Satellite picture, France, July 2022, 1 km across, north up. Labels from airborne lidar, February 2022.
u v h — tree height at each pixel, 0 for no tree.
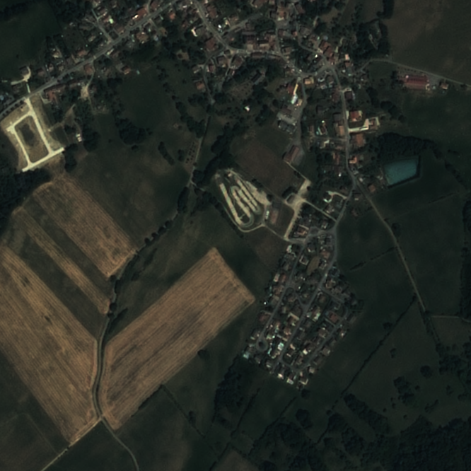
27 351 0
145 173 0
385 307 0
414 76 0
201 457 0
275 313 0
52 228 0
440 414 0
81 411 0
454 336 0
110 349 0
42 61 0
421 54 0
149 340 0
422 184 0
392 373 0
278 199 0
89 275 0
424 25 0
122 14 8
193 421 11
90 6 14
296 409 0
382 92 0
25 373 0
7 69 0
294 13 0
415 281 0
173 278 0
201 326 0
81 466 0
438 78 0
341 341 0
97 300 0
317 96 0
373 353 6
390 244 0
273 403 0
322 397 0
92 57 0
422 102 0
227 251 0
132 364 0
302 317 0
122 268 0
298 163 0
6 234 0
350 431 8
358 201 0
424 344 0
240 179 0
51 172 0
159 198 0
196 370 0
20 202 12
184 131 0
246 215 0
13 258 0
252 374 0
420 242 0
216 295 0
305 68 0
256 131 0
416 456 18
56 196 0
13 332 0
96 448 0
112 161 0
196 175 17
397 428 0
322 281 0
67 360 0
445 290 0
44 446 0
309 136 0
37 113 0
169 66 0
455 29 0
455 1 0
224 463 0
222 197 0
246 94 9
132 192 0
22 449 0
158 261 0
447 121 0
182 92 0
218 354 0
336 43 8
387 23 0
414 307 0
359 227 0
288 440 22
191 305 0
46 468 0
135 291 0
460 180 13
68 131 14
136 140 15
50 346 0
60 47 6
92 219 0
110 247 0
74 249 0
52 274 0
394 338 0
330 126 0
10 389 0
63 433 0
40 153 0
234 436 7
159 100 0
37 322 0
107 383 0
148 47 8
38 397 0
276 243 0
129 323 0
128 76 0
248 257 0
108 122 0
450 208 0
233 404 21
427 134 0
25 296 0
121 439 0
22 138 0
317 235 0
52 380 0
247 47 0
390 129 0
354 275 0
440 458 20
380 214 0
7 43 0
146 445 0
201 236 0
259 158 0
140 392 0
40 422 0
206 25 0
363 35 16
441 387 0
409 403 21
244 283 0
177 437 0
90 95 0
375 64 0
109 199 0
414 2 0
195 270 0
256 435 0
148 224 0
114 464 0
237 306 0
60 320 0
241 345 0
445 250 0
